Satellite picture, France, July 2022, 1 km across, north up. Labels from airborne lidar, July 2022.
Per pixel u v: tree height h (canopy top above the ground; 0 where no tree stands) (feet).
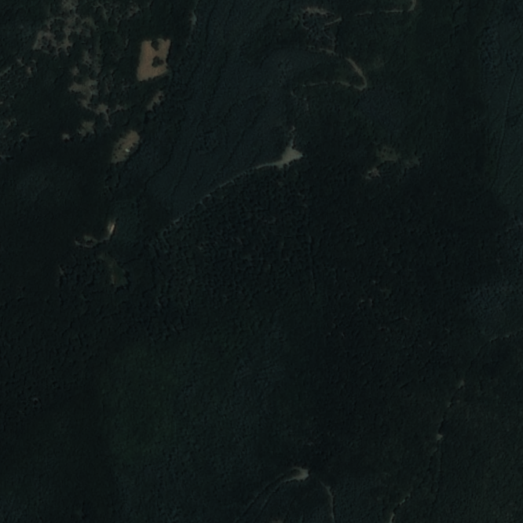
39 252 71
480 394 62
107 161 76
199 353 37
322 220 69
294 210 55
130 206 27
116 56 41
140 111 52
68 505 75
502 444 58
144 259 50
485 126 37
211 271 55
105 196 74
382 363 54
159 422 33
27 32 56
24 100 52
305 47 31
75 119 61
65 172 34
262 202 53
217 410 34
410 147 41
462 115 76
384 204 53
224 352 46
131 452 39
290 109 33
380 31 40
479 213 64
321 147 53
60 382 82
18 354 74
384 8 30
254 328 49
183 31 48
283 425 33
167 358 34
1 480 41
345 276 59
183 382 32
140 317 68
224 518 40
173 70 25
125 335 76
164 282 76
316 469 55
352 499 60
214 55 26
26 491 26
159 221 18
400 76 27
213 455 44
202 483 48
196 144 18
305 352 45
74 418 67
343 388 50
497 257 49
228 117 27
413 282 52
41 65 61
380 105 54
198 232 44
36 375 87
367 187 58
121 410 43
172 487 52
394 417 64
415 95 46
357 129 25
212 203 34
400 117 73
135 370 39
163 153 57
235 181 34
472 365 40
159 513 33
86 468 49
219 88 33
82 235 87
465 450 58
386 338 52
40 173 54
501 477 63
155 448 29
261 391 28
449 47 65
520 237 36
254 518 33
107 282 77
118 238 41
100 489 46
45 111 47
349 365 58
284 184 19
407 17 27
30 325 70
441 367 67
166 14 34
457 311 57
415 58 40
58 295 90
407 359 55
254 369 29
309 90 31
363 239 57
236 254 62
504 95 22
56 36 44
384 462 55
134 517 60
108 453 24
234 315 46
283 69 39
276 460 35
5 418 81
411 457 58
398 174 44
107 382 56
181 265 52
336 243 59
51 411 85
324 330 44
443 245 65
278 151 29
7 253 42
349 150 59
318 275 56
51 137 45
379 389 53
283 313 32
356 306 61
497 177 25
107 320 69
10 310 79
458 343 48
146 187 27
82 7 46
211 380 31
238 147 28
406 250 58
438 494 34
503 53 21
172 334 71
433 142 45
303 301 35
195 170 23
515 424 72
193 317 42
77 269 97
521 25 30
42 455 60
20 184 48
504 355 78
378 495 66
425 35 49
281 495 37
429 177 61
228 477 28
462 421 58
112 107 52
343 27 42
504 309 22
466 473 57
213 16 31
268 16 29
